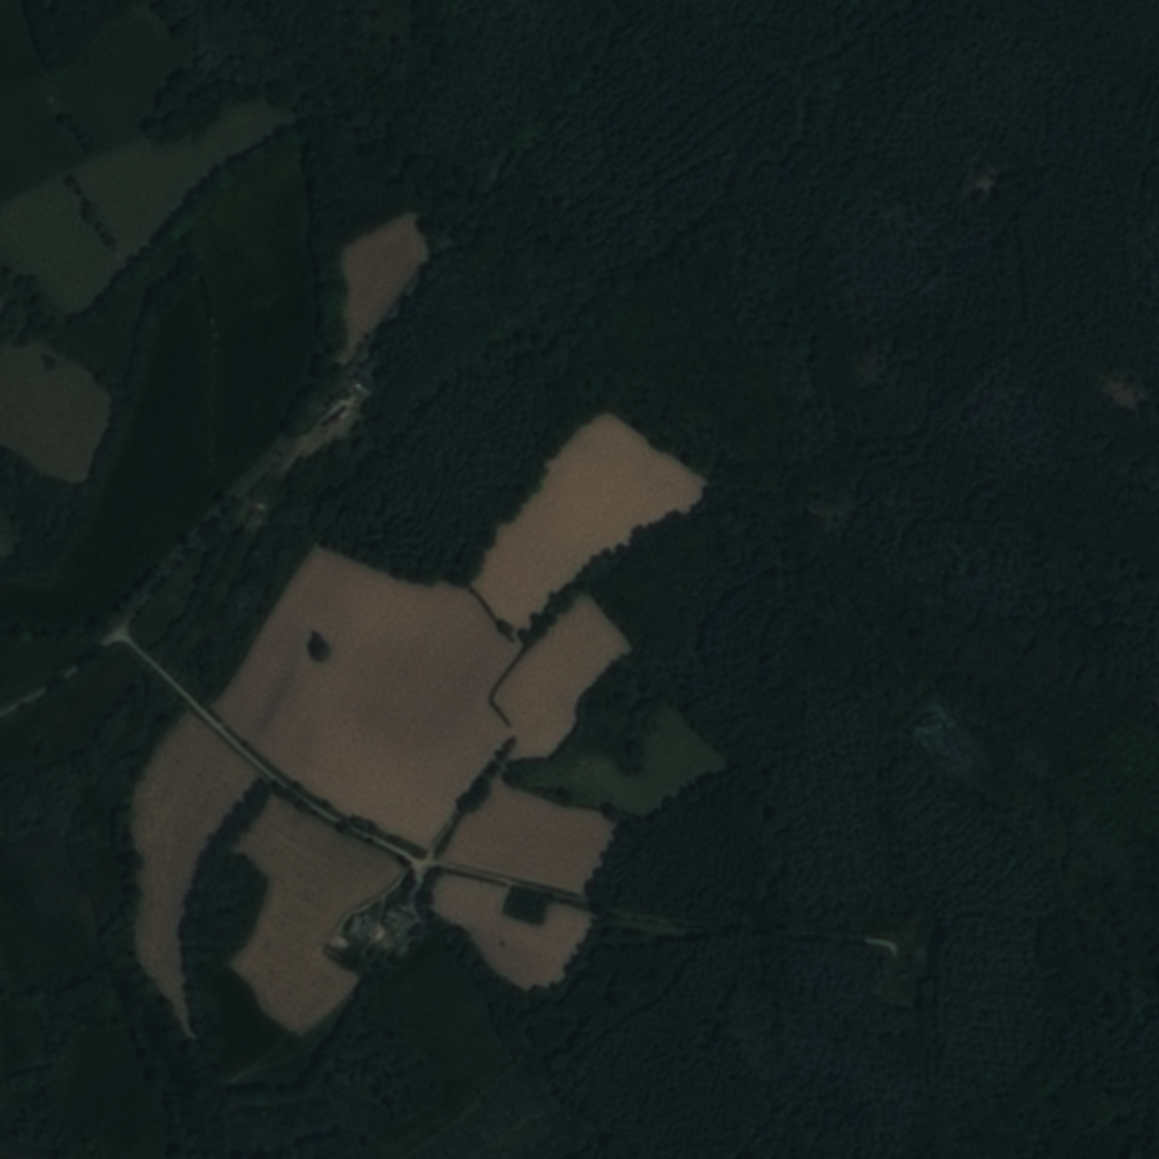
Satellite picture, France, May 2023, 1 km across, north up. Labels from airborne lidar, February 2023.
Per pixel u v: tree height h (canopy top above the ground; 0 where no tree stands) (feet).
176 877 0
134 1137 0
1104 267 78
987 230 28
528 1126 0
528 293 31
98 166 0
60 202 0
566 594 35
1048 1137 62
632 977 43
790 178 88
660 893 44
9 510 20
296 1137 0
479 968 36
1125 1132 54
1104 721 60
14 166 0
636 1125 64
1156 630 62
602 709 20
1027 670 68
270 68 41
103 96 0
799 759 59
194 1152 30
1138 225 52
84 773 28
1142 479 39
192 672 32
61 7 65
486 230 34
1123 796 47
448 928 19
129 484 0
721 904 38
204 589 37
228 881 54
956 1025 60
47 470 0
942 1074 72
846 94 42
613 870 50
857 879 66
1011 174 35
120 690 0
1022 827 35
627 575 55
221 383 0
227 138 0
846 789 61
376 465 64
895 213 39
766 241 78
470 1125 0
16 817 41
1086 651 70
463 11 48
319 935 0
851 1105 59
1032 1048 64
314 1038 0
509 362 30
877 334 46
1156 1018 71
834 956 52
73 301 0
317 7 49
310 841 0
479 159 66
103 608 0
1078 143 82
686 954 56
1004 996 64
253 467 0
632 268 45
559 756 25
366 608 0
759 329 70
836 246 29
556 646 0
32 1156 0
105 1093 0
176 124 77
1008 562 56
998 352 65
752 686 76
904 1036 35
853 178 46
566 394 65
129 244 0
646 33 80
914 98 64
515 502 54
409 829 0
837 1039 31
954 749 0
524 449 66
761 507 61
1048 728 63
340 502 43
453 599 0
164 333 0
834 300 49
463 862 0
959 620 52
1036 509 59
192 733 0
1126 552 57
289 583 0
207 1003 24
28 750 0
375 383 35
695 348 56
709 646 78
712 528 57
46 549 40
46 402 0
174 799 0
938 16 74
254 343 0
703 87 76
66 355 26
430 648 0
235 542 52
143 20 0
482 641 0
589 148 58
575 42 48
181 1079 0
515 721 0
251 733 0
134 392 42
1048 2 80
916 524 40
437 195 41
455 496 73
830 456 49
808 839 63
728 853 38
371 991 42
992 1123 72
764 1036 44
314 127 60
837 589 83
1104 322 74
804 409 31
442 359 54
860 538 47
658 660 44
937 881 58
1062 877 31
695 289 51
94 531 0
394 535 71
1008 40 58
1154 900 44
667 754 0
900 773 67
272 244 0
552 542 0
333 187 77
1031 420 46
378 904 0
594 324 53
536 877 0
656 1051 79
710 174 75
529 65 46
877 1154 57
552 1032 46
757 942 31
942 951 56
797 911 50
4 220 0
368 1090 19
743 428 55
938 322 63
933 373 26
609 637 0
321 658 46
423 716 0
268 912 0
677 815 51
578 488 0
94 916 0
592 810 0
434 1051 0
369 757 0
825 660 58
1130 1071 75
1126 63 56
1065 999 51
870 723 59
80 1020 52
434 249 37
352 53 45
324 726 0
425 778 0
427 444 73
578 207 80
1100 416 56
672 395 56
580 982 45
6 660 0
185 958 43
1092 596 83
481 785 35
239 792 0
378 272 0
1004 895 56
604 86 70
